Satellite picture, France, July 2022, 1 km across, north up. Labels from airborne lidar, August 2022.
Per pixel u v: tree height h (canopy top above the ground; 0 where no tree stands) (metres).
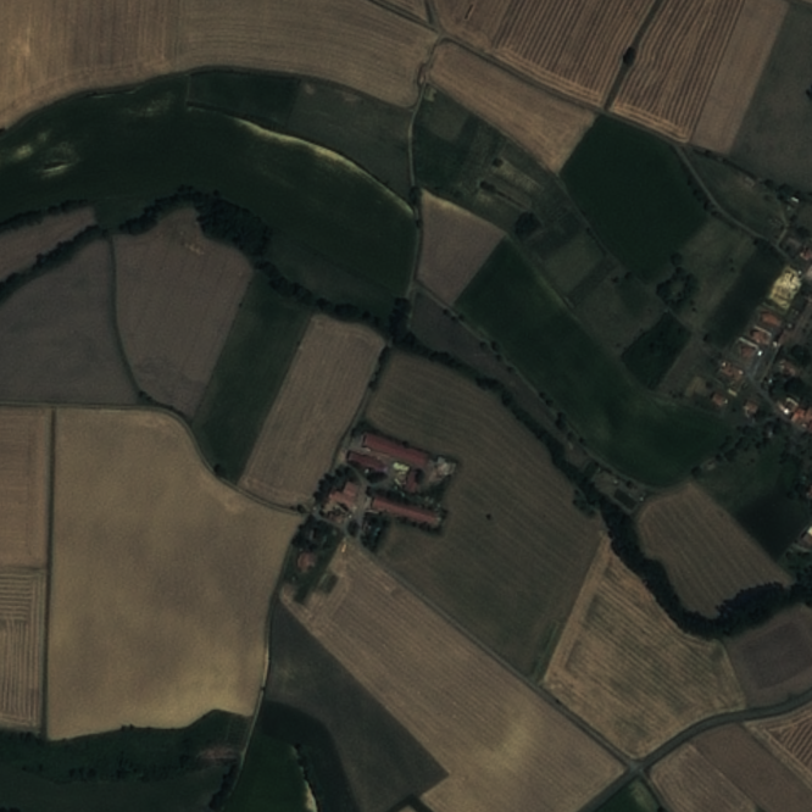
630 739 0
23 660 0
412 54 0
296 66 0
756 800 0
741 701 0
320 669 0
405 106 0
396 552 0
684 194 0
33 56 0
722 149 0
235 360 0
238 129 0
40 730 0
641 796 0
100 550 0
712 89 0
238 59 0
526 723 0
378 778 0
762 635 0
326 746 0
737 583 0
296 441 0
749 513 0
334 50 0
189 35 0
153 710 0
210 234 14
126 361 0
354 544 0
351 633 0
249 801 0
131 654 0
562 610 0
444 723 0
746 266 0
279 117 0
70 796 0
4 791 0
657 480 0
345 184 0
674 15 0
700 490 0
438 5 0
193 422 0
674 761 0
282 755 0
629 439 0
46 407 0
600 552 0
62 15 0
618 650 0
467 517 0
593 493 23
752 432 9
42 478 0
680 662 0
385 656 0
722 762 0
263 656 0
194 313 0
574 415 0
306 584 0
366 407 0
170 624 0
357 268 0
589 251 0
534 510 0
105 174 0
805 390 15
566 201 0
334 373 0
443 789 0
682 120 0
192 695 0
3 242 0
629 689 0
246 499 0
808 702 0
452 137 0
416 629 0
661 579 31
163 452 0
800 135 0
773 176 0
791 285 0
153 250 0
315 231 0
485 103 0
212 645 0
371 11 0
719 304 0
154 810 0
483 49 0
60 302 0
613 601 0
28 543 0
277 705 0
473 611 0
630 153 0
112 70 0
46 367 0
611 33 0
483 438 0
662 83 0
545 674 0
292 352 0
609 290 0
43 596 0
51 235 0
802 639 0
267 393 0
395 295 0
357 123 0
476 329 0
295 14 0
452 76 0
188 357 0
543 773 0
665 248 0
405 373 0
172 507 0
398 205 0
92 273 0
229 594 0
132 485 0
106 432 0
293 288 13
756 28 0
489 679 0
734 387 0
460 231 0
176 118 0
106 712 0
